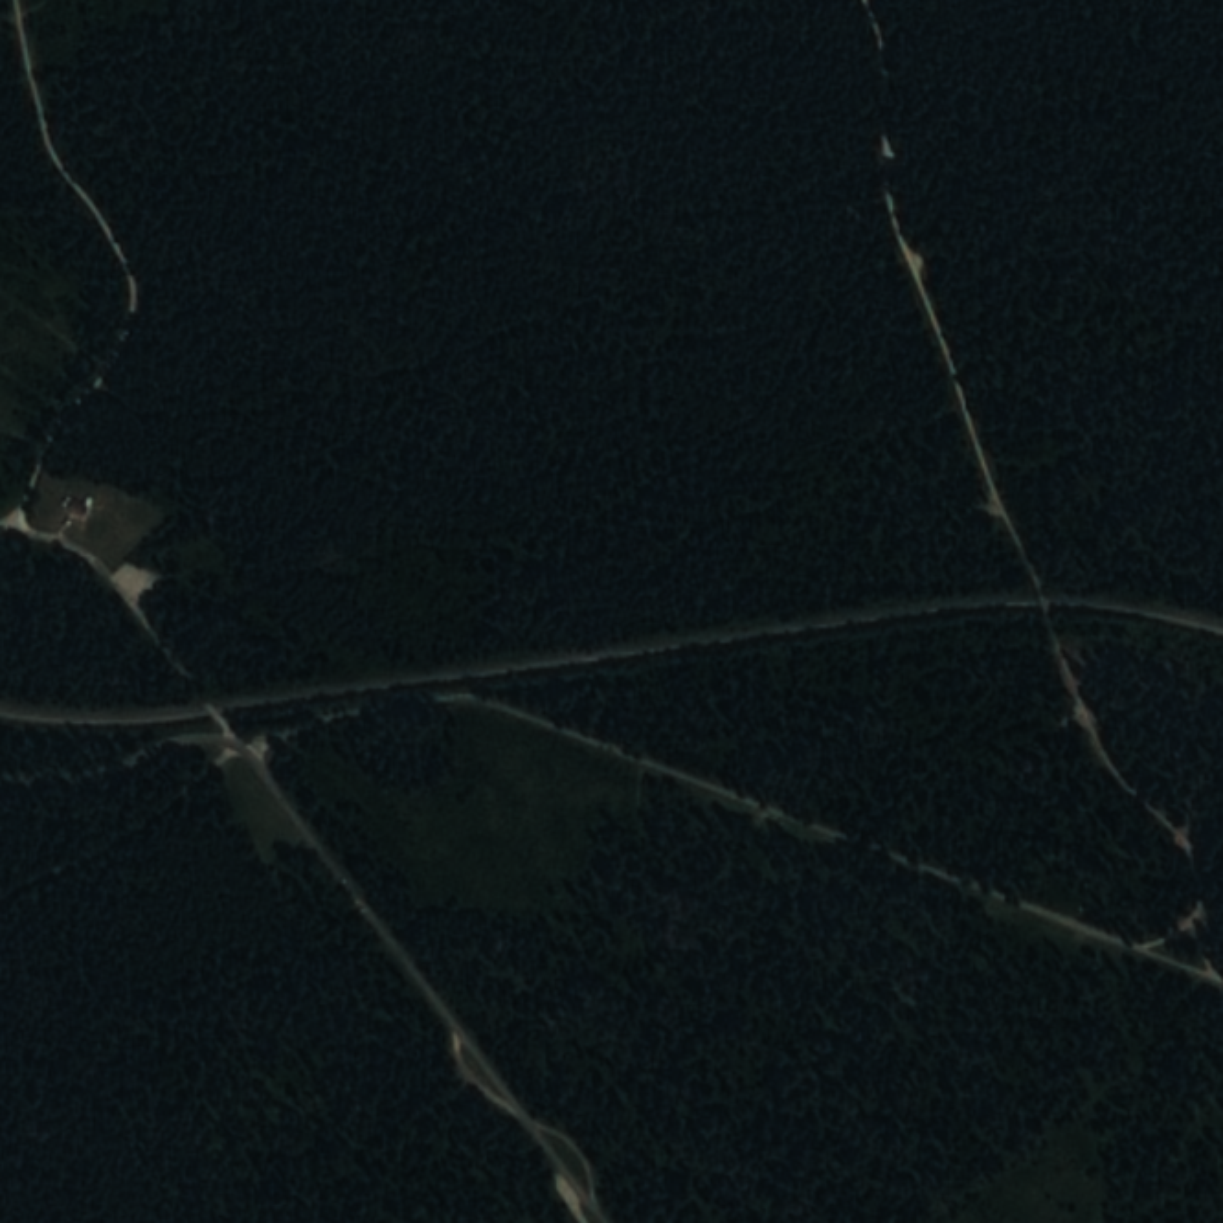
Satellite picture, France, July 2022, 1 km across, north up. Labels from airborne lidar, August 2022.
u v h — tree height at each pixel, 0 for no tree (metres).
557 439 14
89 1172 22
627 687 20
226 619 26
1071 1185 0
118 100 15
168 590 10
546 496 17
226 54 25
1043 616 10
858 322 25
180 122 16
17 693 19
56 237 18
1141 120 26
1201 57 27
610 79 27
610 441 18
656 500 26
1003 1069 12
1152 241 27
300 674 14
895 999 26
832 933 40
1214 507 28
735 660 9
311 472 12
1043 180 31
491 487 19
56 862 15
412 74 28
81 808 21
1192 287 31
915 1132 8
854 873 11
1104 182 25
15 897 16
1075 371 9
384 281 17
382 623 9
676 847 12
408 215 21
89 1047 23
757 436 15
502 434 22
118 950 22
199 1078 24
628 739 29
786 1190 11
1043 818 8
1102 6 27
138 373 17
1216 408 28
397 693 11
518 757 0
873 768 7
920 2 27
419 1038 6
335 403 14
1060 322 17
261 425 13
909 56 25
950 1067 28
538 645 17
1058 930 0
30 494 13
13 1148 28
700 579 22
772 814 0
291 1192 35
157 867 15
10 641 31
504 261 24
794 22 22
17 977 20
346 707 6
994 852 9
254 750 0
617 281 17
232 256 20
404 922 7
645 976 6
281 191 21
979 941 8
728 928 32
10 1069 26
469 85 27
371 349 10
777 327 18
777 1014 16
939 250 12
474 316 21
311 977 21
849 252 13
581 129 28
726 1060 34
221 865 16
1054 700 32
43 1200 29
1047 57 30
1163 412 23
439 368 20
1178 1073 33
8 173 15
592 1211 0
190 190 15
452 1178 21
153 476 16
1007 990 6
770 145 26
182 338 20
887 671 31
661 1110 18
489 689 12
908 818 12
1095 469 18
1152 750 38
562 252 20
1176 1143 30
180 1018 32
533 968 16
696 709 18
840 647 7
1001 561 11
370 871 14
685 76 23
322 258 23
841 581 13
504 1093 0
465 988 7
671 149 26
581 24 23
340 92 27
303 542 21
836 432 11
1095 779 32
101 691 19
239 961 23
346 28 26
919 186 27
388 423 15
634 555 20
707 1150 34
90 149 17
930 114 30
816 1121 32
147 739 12
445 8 18
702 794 0
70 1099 28
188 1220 22
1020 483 9
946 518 14
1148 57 29
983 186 26
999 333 27
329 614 17
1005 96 32
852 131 24
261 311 21
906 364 20
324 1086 21
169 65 16
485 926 9
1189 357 25
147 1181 27
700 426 14
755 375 20
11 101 17
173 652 24
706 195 20
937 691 8
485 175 26
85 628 27
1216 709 33
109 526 0
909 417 19
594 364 26
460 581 6
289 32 27
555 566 20
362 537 16
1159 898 12
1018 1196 0
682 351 17
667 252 16
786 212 13
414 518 19
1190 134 29
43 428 10
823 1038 36
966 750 9
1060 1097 19
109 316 21
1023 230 28
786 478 11
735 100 20
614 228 19
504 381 9
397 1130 29
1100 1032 33
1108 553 27
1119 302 10
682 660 8
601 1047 6
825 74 27
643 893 32
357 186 19
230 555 15
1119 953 0
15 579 31
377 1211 12
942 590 16
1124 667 30
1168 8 24
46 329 0
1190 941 19
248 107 24
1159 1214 11
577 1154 0
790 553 9
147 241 12
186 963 13
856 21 23
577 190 25
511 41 20
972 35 29
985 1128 18
